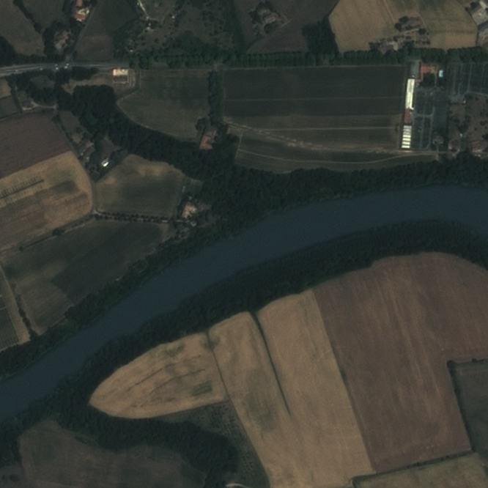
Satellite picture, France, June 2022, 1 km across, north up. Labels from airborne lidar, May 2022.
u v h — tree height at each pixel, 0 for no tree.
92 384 13
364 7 0
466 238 27
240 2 0
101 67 0
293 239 0
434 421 0
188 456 10
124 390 0
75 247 0
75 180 0
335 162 0
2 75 0
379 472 0
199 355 0
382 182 26
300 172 15
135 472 0
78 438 8
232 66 18
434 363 0
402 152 0
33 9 0
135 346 14
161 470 0
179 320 13
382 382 0
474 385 0
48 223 0
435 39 0
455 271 0
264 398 0
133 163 0
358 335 0
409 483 0
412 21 0
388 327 0
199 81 0
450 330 0
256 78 0
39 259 0
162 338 14
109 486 0
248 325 0
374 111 0
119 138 19
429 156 0
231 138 11
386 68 0
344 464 0
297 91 0
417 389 0
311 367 0
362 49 0
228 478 0
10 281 0
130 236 0
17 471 0
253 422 0
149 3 0
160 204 0
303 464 0
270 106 0
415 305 0
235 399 0
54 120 10
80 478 0
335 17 0
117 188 0
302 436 0
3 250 0
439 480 0
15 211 0
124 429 19
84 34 0
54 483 0
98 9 0
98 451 0
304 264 34
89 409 9
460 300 0
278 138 0
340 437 0
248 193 16
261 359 0
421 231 31
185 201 12
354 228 0
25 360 20
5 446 8
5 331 0
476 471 0
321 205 0
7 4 0
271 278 32
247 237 0
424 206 0
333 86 0
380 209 0
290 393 0
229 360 0
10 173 0
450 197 0
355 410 0
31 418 14
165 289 0
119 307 0
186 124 0
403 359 0
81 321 13
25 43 0
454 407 0
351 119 0
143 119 0
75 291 0
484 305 0
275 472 0
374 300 0
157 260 14
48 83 0
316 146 0
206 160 26
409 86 0
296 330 0
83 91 15
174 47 10
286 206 29
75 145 6
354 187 18
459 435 0
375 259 9
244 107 0
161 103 0
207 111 0
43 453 0
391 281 0
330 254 31
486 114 8
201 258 0
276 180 17
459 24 0
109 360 8
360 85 0
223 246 0
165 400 0
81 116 8
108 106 19
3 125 0
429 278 0
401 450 0
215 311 16
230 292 32
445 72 9
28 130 0
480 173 27
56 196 0
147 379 0
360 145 0
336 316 0
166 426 12
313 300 0
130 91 0
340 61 22
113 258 0
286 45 0
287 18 0
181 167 8
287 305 0
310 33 8
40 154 0
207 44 8
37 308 0
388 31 0
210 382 0
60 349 0
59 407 17
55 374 0
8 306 0
